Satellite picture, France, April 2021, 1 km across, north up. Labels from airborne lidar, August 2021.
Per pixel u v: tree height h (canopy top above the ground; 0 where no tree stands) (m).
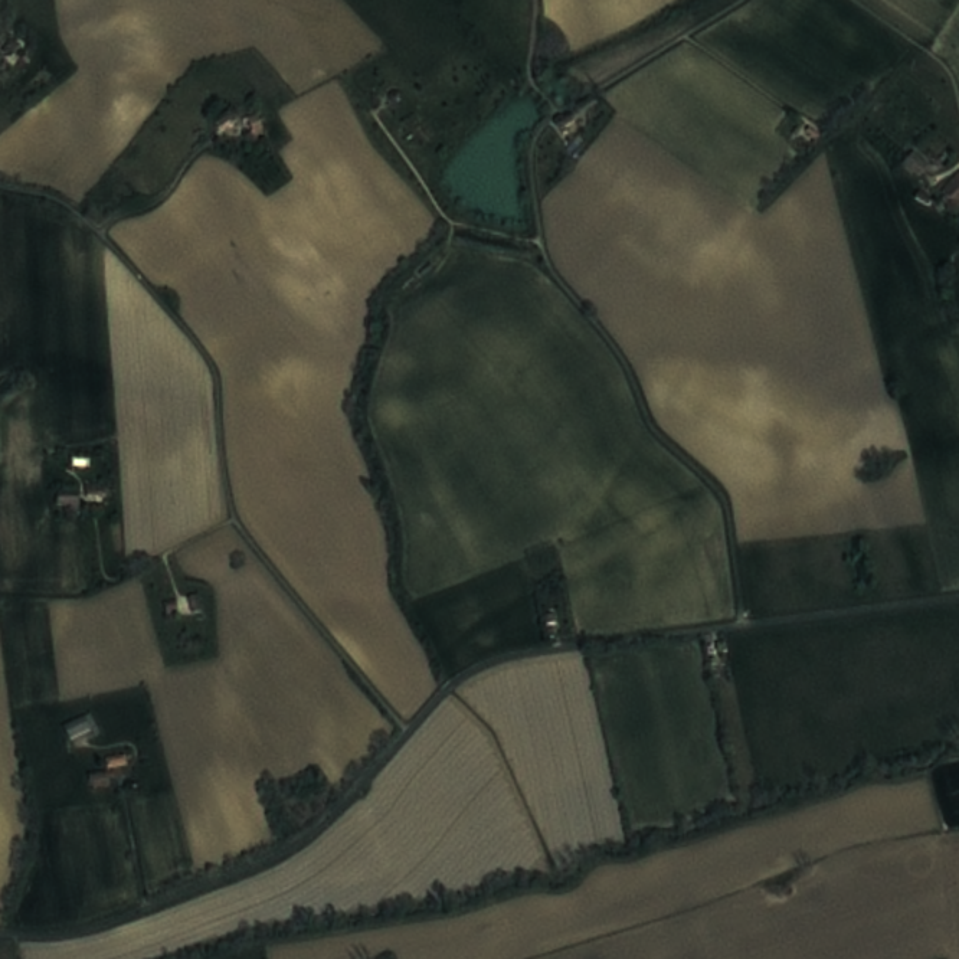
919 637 0
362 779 19
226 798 0
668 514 0
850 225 0
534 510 0
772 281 0
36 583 0
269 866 0
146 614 0
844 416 0
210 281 0
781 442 0
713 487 0
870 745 0
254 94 7
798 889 0
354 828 0
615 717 0
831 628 0
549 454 0
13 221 0
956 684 0
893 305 0
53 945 0
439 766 0
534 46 0
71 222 0
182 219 0
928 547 0
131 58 0
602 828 0
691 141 0
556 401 0
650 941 0
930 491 0
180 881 15
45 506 0
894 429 0
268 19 0
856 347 0
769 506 0
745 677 0
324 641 0
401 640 0
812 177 0
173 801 0
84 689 0
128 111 0
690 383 0
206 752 0
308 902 0
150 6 0
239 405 0
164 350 0
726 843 0
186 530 0
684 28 0
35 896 0
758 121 0
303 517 0
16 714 0
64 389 0
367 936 0
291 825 10
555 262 0
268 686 0
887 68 0
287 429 0
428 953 0
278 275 0
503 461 0
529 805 0
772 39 0
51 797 0
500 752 0
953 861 0
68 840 0
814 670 0
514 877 11
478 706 0
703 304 0
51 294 0
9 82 10
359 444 12
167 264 0
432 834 0
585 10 0
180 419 0
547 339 0
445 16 0
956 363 0
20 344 0
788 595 0
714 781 0
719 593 0
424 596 0
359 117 0
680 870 0
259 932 10
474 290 0
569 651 0
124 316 0
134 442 0
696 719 0
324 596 0
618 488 0
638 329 0
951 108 0
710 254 0
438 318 0
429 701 0
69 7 0
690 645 0
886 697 0
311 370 0
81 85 0
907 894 0
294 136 0
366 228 0
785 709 0
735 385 0
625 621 0
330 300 0
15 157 0
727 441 0
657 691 0
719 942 0
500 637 0
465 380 0
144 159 0
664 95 0
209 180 0
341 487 0
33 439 0
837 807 0
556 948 0
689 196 0
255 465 0
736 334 0
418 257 11
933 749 16
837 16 0
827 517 0
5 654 0
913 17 0
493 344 0
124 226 0
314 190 0
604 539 0
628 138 0
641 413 0
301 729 0
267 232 0
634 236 0
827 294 0
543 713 0
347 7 0
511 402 0
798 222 0
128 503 0
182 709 0
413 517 0
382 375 0
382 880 0
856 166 0
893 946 0
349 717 0
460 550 0
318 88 0
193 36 0
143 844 0
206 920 0
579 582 0
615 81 0
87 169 0
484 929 0
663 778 0
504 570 0
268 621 0
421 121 0
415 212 0
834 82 0
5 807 0
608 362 0
